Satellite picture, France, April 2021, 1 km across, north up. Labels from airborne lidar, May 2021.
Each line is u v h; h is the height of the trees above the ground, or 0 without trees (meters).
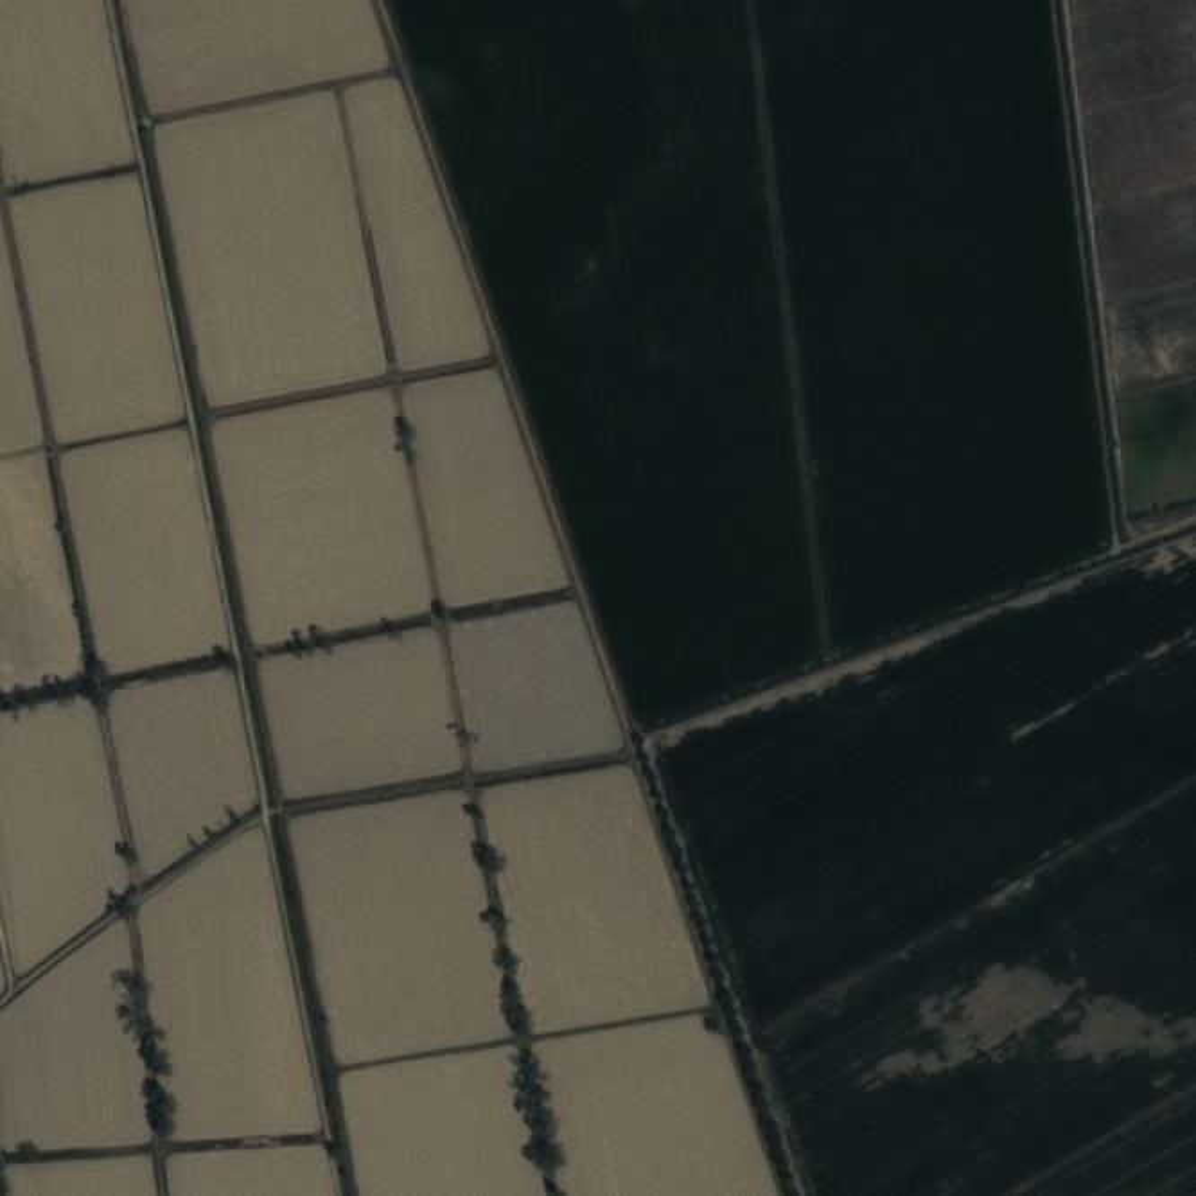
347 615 0
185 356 0
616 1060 0
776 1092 0
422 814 0
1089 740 0
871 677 0
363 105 0
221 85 0
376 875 0
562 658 0
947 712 0
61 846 0
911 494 0
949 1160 0
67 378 0
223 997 0
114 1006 0
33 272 0
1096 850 0
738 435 0
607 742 0
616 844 0
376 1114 0
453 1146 0
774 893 0
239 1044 0
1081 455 0
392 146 0
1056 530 0
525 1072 17
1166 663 0
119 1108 0
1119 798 0
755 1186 0
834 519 0
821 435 0
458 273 0
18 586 0
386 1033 0
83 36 0
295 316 0
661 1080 0
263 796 0
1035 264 0
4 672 0
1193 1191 0
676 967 0
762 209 0
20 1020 0
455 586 0
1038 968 0
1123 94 0
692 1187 0
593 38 0
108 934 0
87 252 0
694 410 0
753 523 0
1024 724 0
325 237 0
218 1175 0
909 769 0
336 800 0
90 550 0
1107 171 0
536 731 0
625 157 0
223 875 0
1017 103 0
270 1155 0
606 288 0
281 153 0
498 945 0
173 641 0
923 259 0
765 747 0
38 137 0
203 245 0
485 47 0
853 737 0
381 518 0
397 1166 0
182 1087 0
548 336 0
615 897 0
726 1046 0
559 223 0
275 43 0
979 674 0
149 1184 0
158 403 0
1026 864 0
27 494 0
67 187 0
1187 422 0
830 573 0
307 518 0
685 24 0
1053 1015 0
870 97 0
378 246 0
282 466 0
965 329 0
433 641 0
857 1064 0
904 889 0
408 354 0
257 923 0
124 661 0
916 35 0
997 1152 0
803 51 0
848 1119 0
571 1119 0
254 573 0
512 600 0
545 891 0
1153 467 0
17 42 0
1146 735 0
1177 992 0
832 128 0
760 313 0
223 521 0
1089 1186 0
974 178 0
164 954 0
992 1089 0
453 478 0
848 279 0
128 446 0
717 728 0
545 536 0
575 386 0
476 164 0
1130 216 0
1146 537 0
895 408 0
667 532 0
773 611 0
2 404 0
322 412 0
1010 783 0
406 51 0
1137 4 0
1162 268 0
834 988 0
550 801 0
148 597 0
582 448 0
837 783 0
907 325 0
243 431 0
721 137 0
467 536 0
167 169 0
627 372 0
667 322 0
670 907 0
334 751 0
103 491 0
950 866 0
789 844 0
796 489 0
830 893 0
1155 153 0
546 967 0
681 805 0
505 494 0
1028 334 0
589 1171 0
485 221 0
